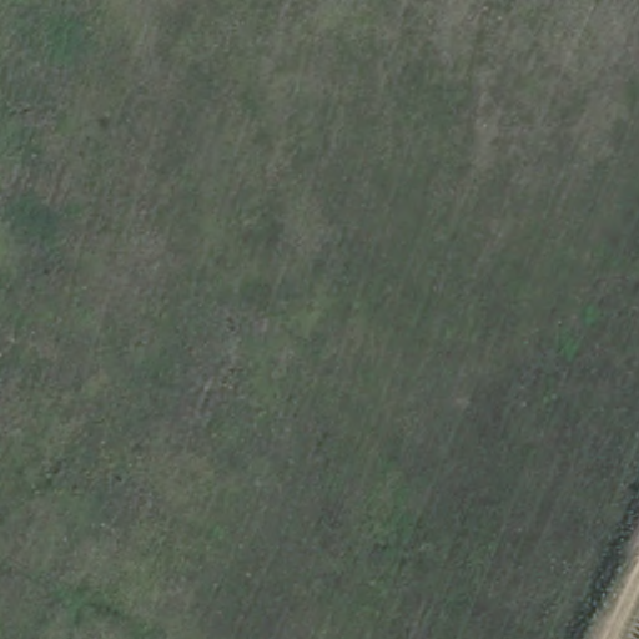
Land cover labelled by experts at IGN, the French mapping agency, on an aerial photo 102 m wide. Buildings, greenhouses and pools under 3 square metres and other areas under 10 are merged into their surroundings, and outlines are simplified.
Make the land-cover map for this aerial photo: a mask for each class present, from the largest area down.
<instances>
[{"label":"agricultural land","instance_id":"1","mask_svg":"<svg viewBox=\"0 0 639 639\"><path fill-rule=\"evenodd\" d=\"M639 554V0H0V639H587L594 617L604 612V602L612 594H619L624 577L629 574Z\"/></svg>","mask_w":639,"mask_h":639},{"label":"pervious surface","instance_id":"2","mask_svg":"<svg viewBox=\"0 0 639 639\"><path fill-rule=\"evenodd\" d=\"M639 599V554L629 574L624 577L619 594H612L604 602V612L594 617L587 639H622L624 624L632 617V609Z\"/></svg>","mask_w":639,"mask_h":639},{"label":"vineyard","instance_id":"3","mask_svg":"<svg viewBox=\"0 0 639 639\"><path fill-rule=\"evenodd\" d=\"M622 639H639V599L632 609V617L624 624Z\"/></svg>","mask_w":639,"mask_h":639}]
</instances>
